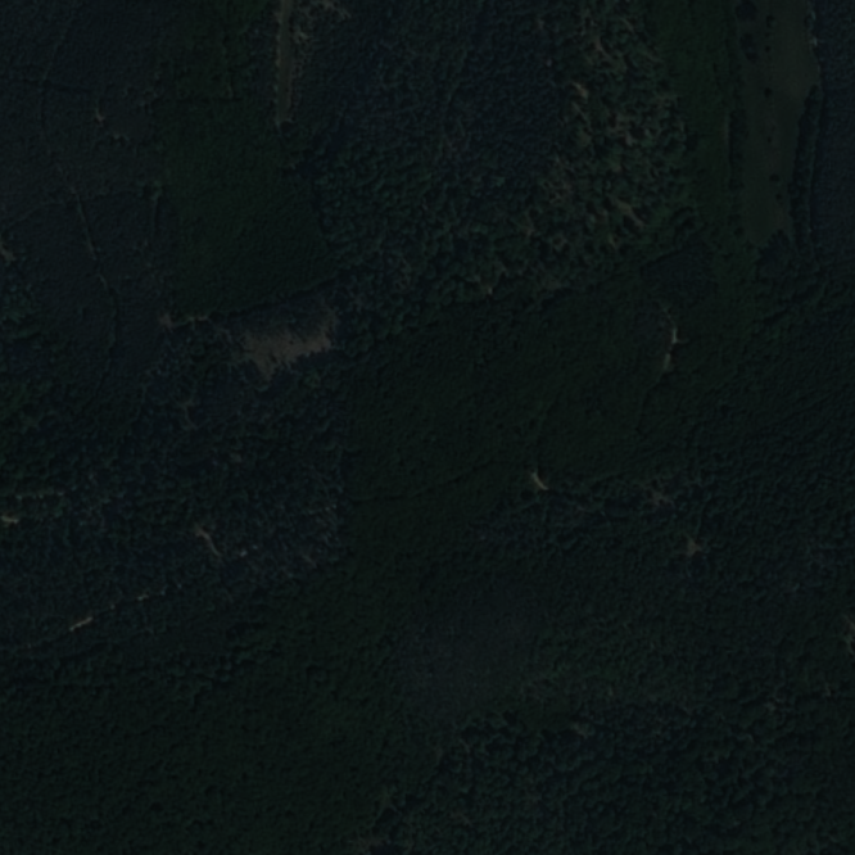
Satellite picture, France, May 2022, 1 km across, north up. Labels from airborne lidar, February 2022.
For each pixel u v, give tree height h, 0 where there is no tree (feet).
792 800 94
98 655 82
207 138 52
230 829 87
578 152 95
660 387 54
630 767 113
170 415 41
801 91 0
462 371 69
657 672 76
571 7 86
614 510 66
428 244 102
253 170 58
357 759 93
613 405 54
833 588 81
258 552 96
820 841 74
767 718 105
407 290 111
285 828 106
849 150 61
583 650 65
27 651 54
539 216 83
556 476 53
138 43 55
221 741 93
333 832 92
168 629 52
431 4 83
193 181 0
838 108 73
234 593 33
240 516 100
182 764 91
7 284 132
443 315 78
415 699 73
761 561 84
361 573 92
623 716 94
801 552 84
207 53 55
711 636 88
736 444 85
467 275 106
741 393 86
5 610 59
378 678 101
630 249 37
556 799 100
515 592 68
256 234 63
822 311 56
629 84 95
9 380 109
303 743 89
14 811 90
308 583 89
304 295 80
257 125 51
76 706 82
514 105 67
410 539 94
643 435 55
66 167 67
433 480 74
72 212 49
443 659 65
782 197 24
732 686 86
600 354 71
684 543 77
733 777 81
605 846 96
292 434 68
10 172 67
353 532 79
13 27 81
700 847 105
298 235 65
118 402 63
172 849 100
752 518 92
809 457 84
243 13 57
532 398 77
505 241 93
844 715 66
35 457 48
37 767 94
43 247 52
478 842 81
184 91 56
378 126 96
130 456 129
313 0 22
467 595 68
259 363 0
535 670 76
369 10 19
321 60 19
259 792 87
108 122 44
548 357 81
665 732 108
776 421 56
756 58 95
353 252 92
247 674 89
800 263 68
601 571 72
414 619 73
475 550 66
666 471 79
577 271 20
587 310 61
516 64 76
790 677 61
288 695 92
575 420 53
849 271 55
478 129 77
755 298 47
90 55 52
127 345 58
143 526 100
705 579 71
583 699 66
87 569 31
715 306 52
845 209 74
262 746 93
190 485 69
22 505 39
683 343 57
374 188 92
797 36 0
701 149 72
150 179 62
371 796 92
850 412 77
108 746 86
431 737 78
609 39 95
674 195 109
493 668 66
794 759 88
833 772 73
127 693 85
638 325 59
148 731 79
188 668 78
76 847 94
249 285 62
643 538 73
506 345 76
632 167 121
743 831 104
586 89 95
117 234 41
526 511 24
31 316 93
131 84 44
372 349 115
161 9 54
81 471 82
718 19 40
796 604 63
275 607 95
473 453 78
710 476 82
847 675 67
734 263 62
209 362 34
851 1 79
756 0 0
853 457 91
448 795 116
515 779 97
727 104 39
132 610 42
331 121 26
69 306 56
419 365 87
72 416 65
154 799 96
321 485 35
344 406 77
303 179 40
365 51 24
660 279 64
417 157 92
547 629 65
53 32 72
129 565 91
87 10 52
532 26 73
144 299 40
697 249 73
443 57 89
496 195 87
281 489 106
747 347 80
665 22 60
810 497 97
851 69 70
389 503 79
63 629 49
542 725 38
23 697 87
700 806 98
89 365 57
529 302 94
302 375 83
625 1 103
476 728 86
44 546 55
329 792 100
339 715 109
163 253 34
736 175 48
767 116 0
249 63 55
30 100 79
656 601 75
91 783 96
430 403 52
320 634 105
